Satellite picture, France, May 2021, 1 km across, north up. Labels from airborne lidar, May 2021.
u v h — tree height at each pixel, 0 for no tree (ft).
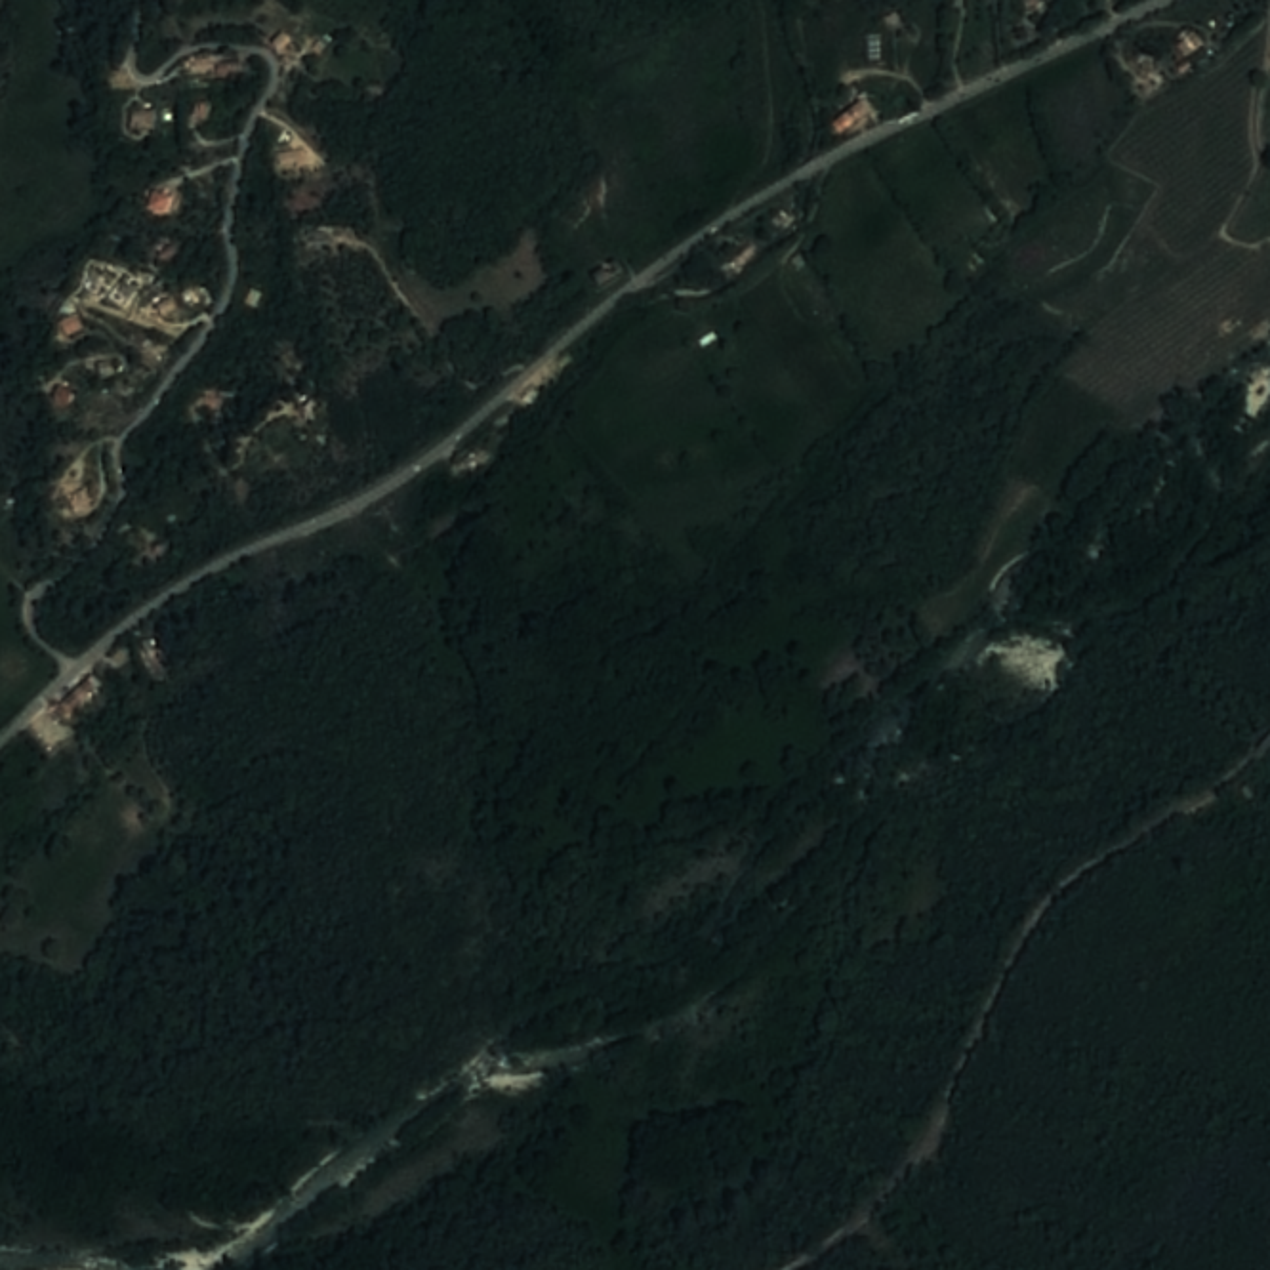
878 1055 48
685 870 22
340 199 27
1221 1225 24
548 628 83
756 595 32
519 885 63
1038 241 0
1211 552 26
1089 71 0
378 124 37
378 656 36
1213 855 20
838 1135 42
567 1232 41
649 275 0
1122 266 0
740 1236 24
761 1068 41
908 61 0
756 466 0
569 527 34
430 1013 36
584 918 31
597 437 0
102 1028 41
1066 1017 22
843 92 31
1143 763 24
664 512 0
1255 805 27
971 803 30
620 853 46
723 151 0
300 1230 43
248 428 55
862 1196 42
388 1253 79
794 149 29
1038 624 39
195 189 23
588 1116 54
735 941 47
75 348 18
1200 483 42
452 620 51
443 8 43
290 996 51
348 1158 0
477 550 80
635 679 54
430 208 22
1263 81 38
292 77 27
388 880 26
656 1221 31
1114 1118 23
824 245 39
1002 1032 30
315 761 30
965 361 23
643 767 60
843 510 30
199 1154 79
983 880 22
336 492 17
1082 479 46
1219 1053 24
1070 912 30
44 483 36
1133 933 20
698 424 0
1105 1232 23
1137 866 23
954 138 35
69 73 34
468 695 42
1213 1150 25
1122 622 24
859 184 0
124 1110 52
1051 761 52
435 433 37
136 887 62
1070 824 22
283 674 31
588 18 35
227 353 36
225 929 28
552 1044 32
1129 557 37
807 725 0
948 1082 28
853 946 39
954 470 28
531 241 0
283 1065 66
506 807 52
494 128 37
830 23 0
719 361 0
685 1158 92
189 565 31
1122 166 0
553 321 19
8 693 0
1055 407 0
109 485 20
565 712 68
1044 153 28
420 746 44
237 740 33
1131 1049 25
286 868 21
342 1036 34
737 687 69
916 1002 40
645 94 0
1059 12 34
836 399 0
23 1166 76
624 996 55
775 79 0
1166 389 0
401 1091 35
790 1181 30
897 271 0
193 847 72
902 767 59
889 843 37
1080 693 33
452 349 31
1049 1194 24
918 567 32
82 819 29
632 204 0
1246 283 0
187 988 50
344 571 21
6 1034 32
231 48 38
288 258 35
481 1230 36
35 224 0
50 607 39
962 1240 29
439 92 34
